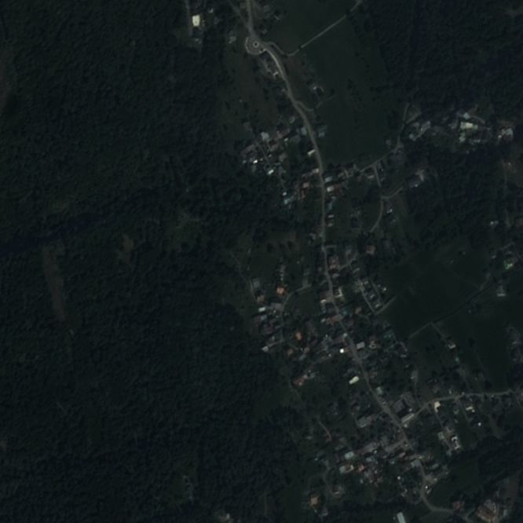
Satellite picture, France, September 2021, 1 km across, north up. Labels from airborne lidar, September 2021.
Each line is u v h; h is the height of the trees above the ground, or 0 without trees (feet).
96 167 50
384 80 0
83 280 68
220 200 73
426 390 0
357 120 20
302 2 0
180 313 64
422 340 0
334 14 0
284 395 0
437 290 0
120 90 87
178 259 93
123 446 79
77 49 26
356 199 18
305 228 40
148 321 50
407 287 0
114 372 73
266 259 0
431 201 79
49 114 72
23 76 63
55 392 48
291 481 50
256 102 0
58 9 59
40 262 48
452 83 22
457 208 89
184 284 89
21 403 79
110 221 76
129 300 56
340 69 0
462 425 0
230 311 52
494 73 56
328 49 0
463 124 0
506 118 51
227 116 0
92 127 37
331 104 0
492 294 0
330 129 0
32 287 65
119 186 77
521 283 0
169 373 76
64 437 62
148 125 75
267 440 89
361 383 0
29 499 91
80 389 26
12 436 46
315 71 0
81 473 107
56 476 90
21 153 94
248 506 94
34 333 76
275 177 20
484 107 0
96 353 72
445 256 0
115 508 34
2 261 101
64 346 67
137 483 92
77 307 24
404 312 0
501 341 0
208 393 59
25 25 38
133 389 34
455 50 47
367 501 0
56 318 46
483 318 0
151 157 40
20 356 93
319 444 19
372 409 23
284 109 31
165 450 65
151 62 72
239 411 102
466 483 0
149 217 53
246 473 87
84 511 77
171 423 51
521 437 83
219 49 30
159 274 97
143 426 45
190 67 84
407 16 85
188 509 51
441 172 82
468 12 45
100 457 32
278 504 51
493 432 25
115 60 84
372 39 0
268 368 71
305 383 45
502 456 65
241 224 105
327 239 0
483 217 62
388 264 29
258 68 45
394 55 81
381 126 0
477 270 0
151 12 70
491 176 69
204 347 85
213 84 79
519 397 0
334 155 0
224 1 70
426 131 0
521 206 43
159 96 70
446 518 0
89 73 73
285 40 0
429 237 45
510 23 54
